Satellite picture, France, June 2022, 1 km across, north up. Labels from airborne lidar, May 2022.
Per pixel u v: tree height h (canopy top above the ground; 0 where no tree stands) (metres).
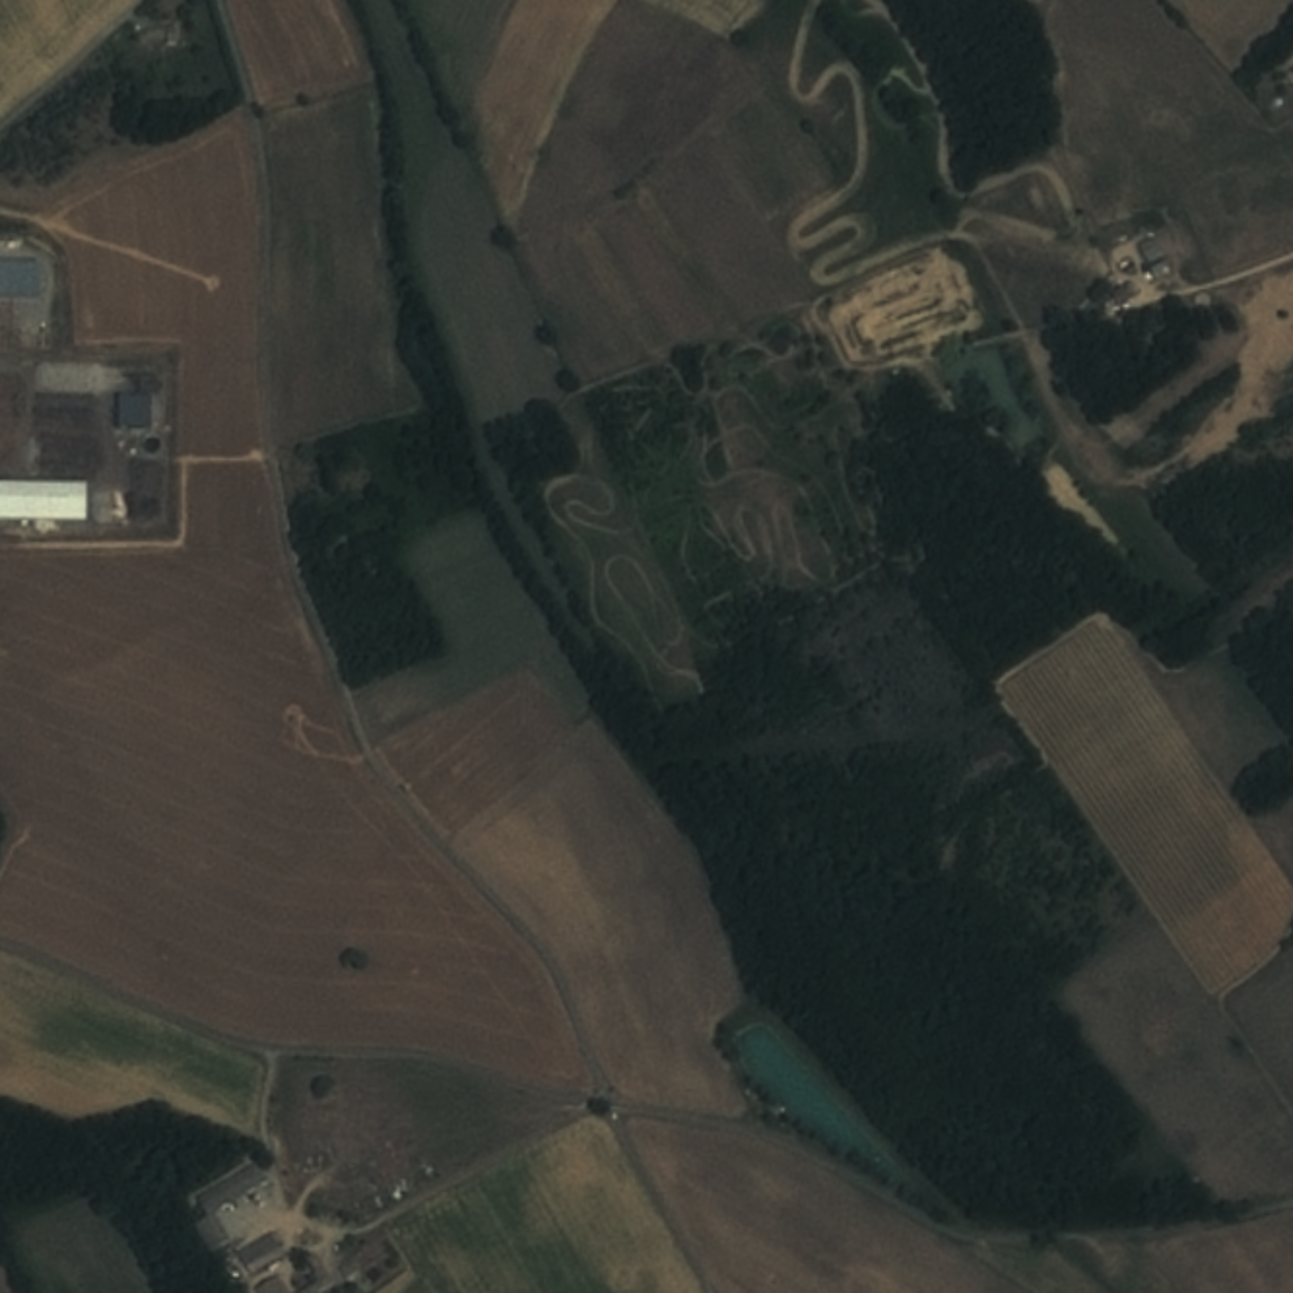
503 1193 0
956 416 15
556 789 0
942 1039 19
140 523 0
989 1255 0
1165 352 14
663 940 0
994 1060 21
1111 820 0
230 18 0
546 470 17
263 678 0
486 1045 0
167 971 0
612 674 18
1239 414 0
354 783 0
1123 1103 13
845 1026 17
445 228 0
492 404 0
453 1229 0
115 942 0
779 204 0
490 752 0
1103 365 21
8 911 0
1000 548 18
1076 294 0
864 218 0
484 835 0
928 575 15
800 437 7
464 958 0
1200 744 0
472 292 0
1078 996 0
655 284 0
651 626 0
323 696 0
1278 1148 0
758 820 15
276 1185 0
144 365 0
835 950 14
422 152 0
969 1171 21
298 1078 0
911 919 25
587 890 0
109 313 0
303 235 0
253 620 0
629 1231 0
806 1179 0
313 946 0
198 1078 0
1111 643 0
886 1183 17
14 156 13
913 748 7
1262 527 8
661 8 0
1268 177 0
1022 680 0
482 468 13
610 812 0
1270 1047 0
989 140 18
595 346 0
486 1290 0
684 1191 0
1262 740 0
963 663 9
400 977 0
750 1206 0
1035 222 0
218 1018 0
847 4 0
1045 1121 25
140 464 0
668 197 0
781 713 15
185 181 0
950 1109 16
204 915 0
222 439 0
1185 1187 14
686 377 9
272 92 0
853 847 18
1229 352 0
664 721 17
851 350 0
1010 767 6
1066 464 0
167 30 0
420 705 0
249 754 0
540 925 0
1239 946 0
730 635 9
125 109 18
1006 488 22
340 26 0
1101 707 0
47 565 0
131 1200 26
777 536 0
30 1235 0
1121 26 0
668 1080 0
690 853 0
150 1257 21
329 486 19
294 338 0
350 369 0
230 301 0
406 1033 0
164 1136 24
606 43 0
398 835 0
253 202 0
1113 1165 21
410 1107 0
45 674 0
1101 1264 0
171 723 0
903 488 14
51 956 0
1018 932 7
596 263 0
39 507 0
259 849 0
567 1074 0
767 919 19
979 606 17
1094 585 23
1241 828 0
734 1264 0
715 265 0
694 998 0
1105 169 0
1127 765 0
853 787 15
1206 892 0
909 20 17
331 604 6
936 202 12
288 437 0
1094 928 7
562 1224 0
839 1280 0
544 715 0
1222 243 0
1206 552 15
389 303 0
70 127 14
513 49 0
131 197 0
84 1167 19
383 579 11
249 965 0
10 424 0
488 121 0
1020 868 6
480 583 0
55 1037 0
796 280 0
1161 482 0
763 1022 0
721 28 0
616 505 0
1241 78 11
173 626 0
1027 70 15
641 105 0
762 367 0
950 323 0
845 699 11
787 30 0
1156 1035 0
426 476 7
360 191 0
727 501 0
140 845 0
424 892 0
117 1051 0
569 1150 0
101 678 0
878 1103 20
